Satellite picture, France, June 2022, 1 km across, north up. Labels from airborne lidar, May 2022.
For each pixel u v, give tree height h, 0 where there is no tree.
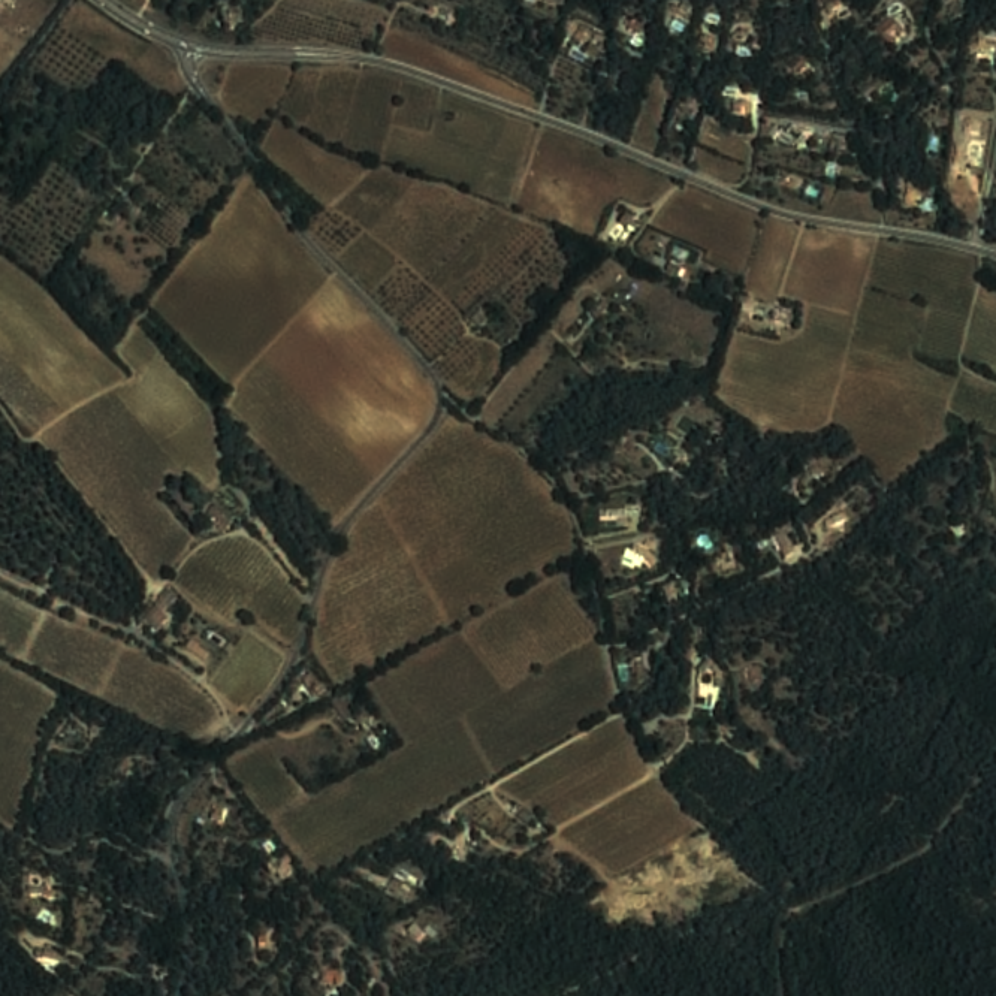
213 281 0
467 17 7
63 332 0
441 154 0
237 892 10
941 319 0
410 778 0
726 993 11
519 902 10
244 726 0
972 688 9
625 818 0
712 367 9
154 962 9
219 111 9
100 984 0
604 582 9
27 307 0
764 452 19
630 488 7
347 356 0
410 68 0
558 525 0
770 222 0
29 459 8
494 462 0
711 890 0
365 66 0
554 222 7
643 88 15
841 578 6
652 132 0
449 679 0
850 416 0
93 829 17
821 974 8
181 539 0
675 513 20
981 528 7
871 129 12
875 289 7
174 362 8
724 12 15
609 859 0
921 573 19
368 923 13
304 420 0
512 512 0
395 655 10
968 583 16
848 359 0
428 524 0
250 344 0
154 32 0
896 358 0
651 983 5
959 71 17
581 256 18
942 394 0
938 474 23
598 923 17
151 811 15
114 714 19
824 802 20
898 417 0
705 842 0
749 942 21
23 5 0
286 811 0
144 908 14
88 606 15
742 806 7
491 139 0
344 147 9
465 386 0
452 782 0
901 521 19
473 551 0
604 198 0
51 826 19
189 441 0
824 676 17
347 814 0
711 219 0
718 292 18
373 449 0
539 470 9
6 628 0
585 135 0
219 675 0
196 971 19
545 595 0
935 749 18
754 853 20
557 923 10
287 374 0
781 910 17
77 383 0
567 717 0
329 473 0
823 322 0
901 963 18
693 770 7
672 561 6
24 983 13
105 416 0
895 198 16
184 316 0
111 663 0
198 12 10
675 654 21
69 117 20
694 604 7
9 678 0
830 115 8
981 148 0
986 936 5
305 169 0
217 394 13
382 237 0
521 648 0
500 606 0
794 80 11
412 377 0
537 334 17
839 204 0
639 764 0
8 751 0
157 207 7
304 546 18
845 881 7
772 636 9
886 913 8
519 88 0
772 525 11
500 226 0
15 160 8
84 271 21
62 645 0
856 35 9
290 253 0
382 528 0
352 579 0
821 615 13
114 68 15
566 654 0
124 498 0
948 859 13
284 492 21
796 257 0
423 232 0
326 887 8
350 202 0
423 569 0
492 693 0
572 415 19
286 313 0
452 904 15
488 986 20
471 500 0
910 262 0
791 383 0
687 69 7
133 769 6
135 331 0
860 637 8
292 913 8
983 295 0
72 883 16
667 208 0
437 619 0
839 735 20
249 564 0
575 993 7
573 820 0
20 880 6
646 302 0
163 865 8
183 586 0
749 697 8
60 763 16
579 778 0
